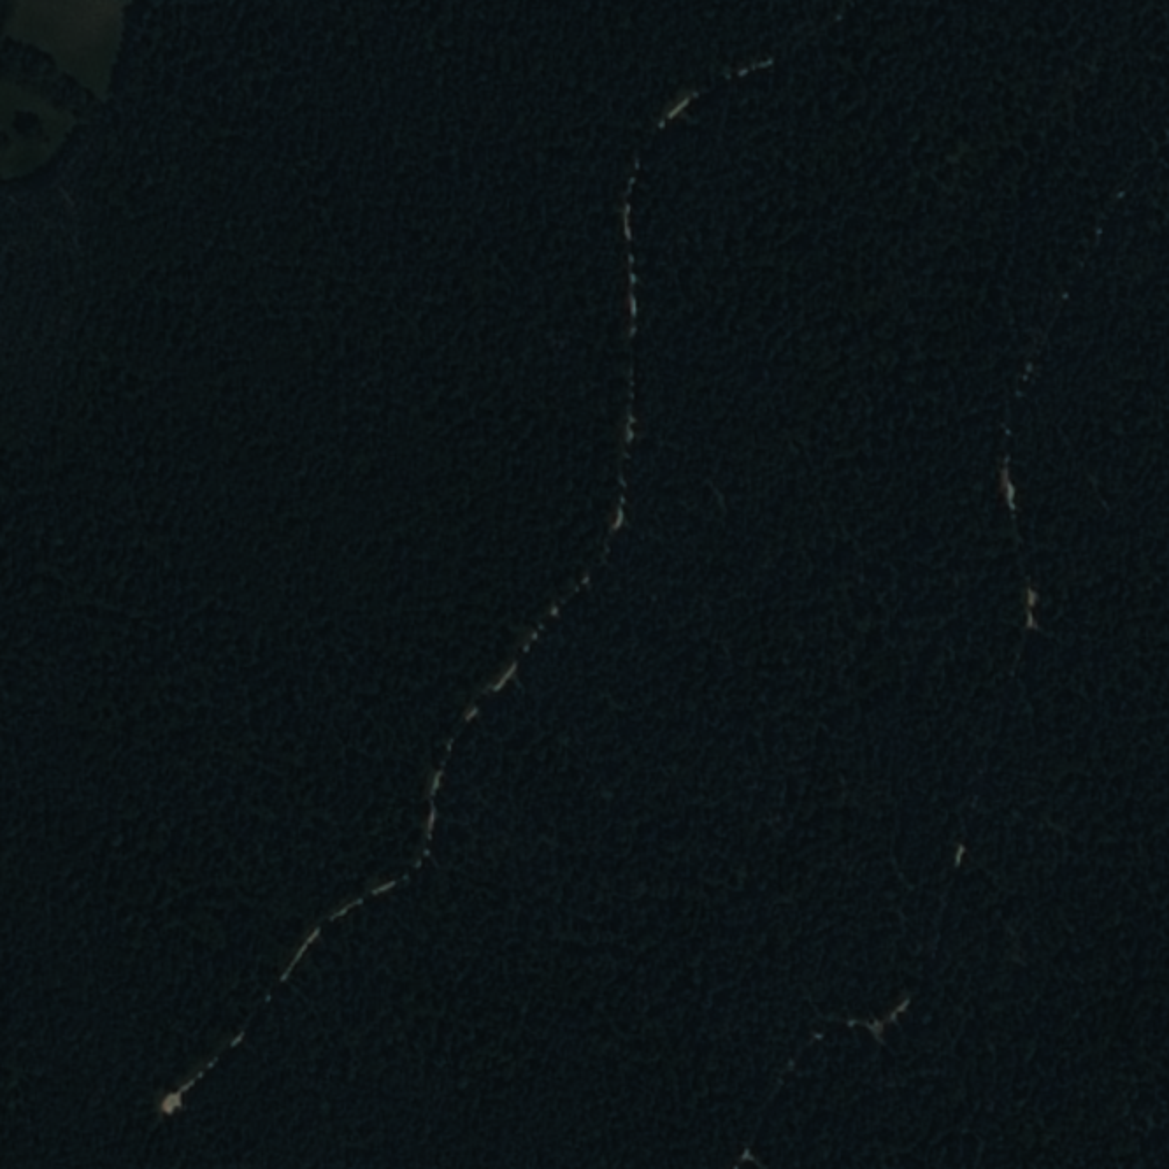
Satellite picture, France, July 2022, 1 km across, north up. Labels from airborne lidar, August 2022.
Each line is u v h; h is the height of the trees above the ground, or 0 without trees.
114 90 13
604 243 26
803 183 25
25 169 0
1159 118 25
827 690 22
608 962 14
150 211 17
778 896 23
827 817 22
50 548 18
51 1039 21
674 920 22
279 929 17
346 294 15
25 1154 17
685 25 21
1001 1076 27
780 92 22
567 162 26
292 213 17
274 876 16
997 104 21
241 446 18
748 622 20
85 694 21
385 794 18
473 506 20
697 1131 21
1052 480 27
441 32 21
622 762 24
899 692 18
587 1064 15
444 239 11
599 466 24
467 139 16
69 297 17
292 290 20
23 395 17
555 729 24
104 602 9
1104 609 23
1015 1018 29
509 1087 17
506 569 15
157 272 16
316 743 22
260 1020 22
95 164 17
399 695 17
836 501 27
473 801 27
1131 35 22
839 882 24
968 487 26
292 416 15
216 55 18
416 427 18
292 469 14
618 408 19
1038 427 26
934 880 23
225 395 19
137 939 20
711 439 27
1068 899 19
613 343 20
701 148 22
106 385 20
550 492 18
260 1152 19
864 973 27
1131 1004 26
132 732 21
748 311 24
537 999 7
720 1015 30
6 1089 16
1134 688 14
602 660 26
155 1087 17
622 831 26
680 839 23
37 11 0
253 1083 11
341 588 18
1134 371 23
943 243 21
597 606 17
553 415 16
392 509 15
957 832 28
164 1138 14
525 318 21
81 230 12
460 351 16
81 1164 16
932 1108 24
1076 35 21
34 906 19
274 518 16
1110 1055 26
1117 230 23
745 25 20
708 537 24
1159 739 24
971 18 29
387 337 14
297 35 20
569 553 22
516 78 22
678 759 22
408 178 23
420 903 15
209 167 18
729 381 27
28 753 25
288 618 16
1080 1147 17
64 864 18
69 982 22
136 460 17
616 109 27
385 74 20
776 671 21
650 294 24
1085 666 27
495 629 9
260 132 23
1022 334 24
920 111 26
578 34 22
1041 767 28
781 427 23
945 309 21
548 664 21
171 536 17
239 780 23
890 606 24
